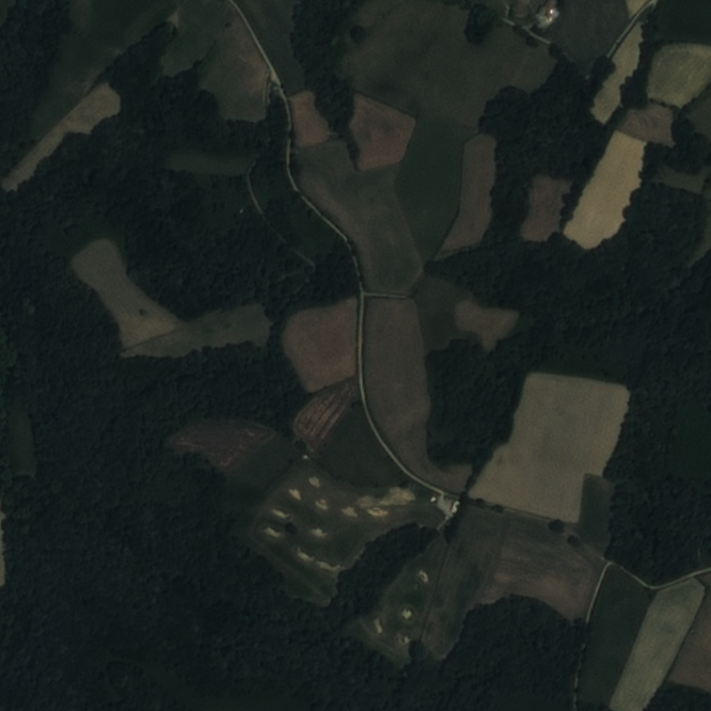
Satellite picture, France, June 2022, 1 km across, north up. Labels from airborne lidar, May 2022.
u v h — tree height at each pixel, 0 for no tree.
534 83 0
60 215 15
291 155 8
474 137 0
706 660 0
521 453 0
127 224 12
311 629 7
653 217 22
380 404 0
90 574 14
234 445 0
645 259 13
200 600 27
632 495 19
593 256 17
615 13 0
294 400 18
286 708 0
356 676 25
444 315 0
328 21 28
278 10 0
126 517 20
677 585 0
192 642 20
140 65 25
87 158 22
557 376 0
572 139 27
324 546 0
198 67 16
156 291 16
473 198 0
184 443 0
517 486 0
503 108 20
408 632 0
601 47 0
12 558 21
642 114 0
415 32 0
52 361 25
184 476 8
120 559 24
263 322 0
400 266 0
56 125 0
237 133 17
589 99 19
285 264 23
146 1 0
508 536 0
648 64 11
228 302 21
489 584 0
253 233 12
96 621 16
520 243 9
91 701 17
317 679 20
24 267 20
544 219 0
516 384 13
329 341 0
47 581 12
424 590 0
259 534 0
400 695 24
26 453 0
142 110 27
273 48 0
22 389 28
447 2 10
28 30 25
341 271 6
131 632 23
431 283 0
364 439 0
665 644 0
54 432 19
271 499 0
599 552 0
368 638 0
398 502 0
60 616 15
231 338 0
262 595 24
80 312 22
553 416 0
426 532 12
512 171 19
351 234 0
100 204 7
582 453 0
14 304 26
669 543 11
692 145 24
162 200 20
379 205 0
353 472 0
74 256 0
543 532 0
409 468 0
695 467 0
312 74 16
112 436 19
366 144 0
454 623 0
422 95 0
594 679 0
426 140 0
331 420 0
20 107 20
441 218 0
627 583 0
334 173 0
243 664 21
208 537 18
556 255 14
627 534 22
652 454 23
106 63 0
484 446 11
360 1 18
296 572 0
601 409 0
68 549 17
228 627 21
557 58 11
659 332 19
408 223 0
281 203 12
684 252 15
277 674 22
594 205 0
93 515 22
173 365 14
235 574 17
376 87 0
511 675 21
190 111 21
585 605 0
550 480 0
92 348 25
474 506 7
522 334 12
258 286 13
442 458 9
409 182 0
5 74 33
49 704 22
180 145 13
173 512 9
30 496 22
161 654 17
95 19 0
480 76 0
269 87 0
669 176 0
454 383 10
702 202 23
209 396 10
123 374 12
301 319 0
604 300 13
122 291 0
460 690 25
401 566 14
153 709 11
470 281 10
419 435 0
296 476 0
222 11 0
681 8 0
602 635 0
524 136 27
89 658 17
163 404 16
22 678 19
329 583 0
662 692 7
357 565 9
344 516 0
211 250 24
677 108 10
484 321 0
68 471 23
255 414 6
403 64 0
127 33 0
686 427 0
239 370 15
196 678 15
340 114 15
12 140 18
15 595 24
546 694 11
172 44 23
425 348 0
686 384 11
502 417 16
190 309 21
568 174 22
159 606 30
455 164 0
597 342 9
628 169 0
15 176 0
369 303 0
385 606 0
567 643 16
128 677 10
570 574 0
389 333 0
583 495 0
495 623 18
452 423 9
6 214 23
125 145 26
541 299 22
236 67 0
